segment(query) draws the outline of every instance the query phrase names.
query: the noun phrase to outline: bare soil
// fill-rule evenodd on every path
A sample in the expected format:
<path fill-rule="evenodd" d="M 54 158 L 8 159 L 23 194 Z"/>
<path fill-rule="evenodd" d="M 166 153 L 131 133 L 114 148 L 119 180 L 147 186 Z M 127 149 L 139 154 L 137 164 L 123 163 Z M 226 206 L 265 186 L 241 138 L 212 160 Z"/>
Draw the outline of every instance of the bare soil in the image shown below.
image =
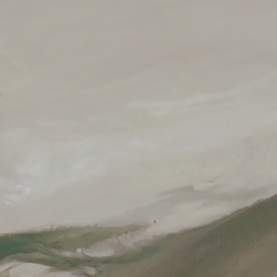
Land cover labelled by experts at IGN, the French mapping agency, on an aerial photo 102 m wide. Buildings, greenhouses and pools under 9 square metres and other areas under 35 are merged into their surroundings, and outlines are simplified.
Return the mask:
<path fill-rule="evenodd" d="M 60 226 L 96 224 L 103 227 L 119 227 L 145 223 L 150 224 L 146 230 L 153 235 L 179 233 L 183 229 L 220 220 L 225 215 L 277 194 L 277 0 L 0 0 L 0 235 L 41 232 Z"/>
<path fill-rule="evenodd" d="M 41 264 L 0 264 L 0 277 L 77 277 L 72 276 L 70 272 L 51 273 L 49 266 Z"/>

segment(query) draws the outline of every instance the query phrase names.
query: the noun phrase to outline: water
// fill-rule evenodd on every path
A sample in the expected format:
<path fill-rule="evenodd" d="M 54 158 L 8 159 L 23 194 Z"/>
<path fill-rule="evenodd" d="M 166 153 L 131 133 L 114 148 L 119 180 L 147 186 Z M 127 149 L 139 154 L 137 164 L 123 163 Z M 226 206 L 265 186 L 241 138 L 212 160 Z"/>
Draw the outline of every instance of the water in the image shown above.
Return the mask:
<path fill-rule="evenodd" d="M 60 226 L 41 232 L 0 235 L 0 264 L 41 264 L 49 266 L 51 273 L 70 272 L 72 276 L 77 277 L 277 277 L 277 194 L 225 215 L 220 220 L 183 229 L 179 233 L 153 235 L 146 230 L 150 224 L 145 223 L 119 227 L 103 227 L 96 224 Z"/>

